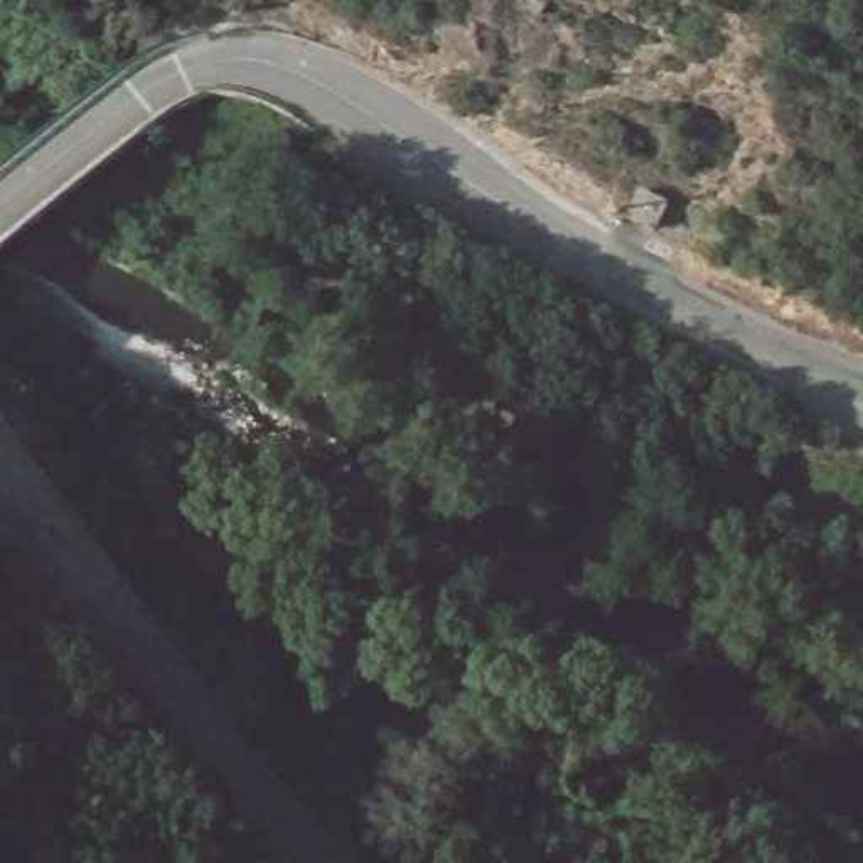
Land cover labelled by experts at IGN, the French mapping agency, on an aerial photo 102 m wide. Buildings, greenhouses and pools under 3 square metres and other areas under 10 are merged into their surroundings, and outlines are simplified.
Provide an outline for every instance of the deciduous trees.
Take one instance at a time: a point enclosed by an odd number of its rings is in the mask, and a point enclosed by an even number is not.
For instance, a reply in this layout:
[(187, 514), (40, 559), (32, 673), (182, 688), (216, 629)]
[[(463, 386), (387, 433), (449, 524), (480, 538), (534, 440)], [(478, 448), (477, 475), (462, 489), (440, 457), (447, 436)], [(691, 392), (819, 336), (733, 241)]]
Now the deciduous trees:
[(812, 492), (802, 445), (823, 445), (823, 432), (829, 428), (819, 418), (806, 415), (799, 421), (785, 411), (779, 418), (775, 394), (769, 388), (758, 388), (748, 374), (711, 374), (708, 367), (694, 367), (694, 357), (684, 344), (664, 344), (654, 334), (654, 327), (641, 324), (630, 310), (610, 310), (593, 297), (566, 297), (543, 266), (529, 266), (509, 249), (479, 246), (462, 229), (455, 229), (438, 209), (388, 192), (378, 179), (334, 182), (327, 175), (310, 175), (290, 155), (290, 138), (273, 142), (260, 158), (253, 158), (256, 152), (243, 142), (243, 128), (216, 115), (209, 131), (202, 135), (202, 145), (175, 158), (175, 172), (162, 196), (131, 202), (125, 212), (115, 212), (118, 239), (101, 256), (108, 266), (118, 266), (145, 280), (169, 300), (202, 317), (212, 327), (212, 334), (233, 344), (233, 351), (233, 361), (239, 367), (263, 378), (270, 364), (293, 378), (300, 391), (293, 415), (300, 421), (300, 432), (266, 418), (246, 432), (229, 432), (216, 415), (209, 394), (196, 394), (185, 384), (179, 384), (155, 357), (135, 354), (128, 347), (105, 347), (94, 337), (94, 330), (78, 317), (61, 310), (61, 320), (54, 320), (27, 303), (3, 300), (3, 293), (10, 290), (13, 260), (47, 266), (54, 260), (57, 243), (67, 236), (71, 229), (64, 226), (64, 219), (74, 209), (61, 199), (54, 199), (40, 216), (34, 216), (0, 246), (0, 411), (7, 425), (17, 432), (20, 445), (34, 455), (51, 485), (61, 492), (64, 506), (108, 553), (128, 590), (155, 610), (155, 620), (175, 647), (175, 654), (196, 671), (206, 691), (239, 721), (253, 748), (253, 758), (297, 799), (300, 812), (314, 826), (320, 826), (334, 843), (351, 843), (351, 829), (364, 829), (371, 823), (384, 833), (381, 853), (401, 863), (863, 863), (863, 502), (853, 506), (829, 492)]
[(698, 175), (732, 162), (732, 152), (738, 148), (738, 128), (715, 108), (705, 108), (698, 101), (664, 101), (661, 121), (674, 135), (681, 135), (681, 172)]
[(202, 34), (202, 27), (219, 24), (226, 17), (226, 0), (0, 0), (0, 155), (13, 152), (20, 142), (30, 142), (44, 125), (54, 121), (57, 111), (94, 91), (101, 81), (115, 81), (121, 74), (128, 81), (145, 64), (172, 54), (179, 44), (179, 27), (196, 27)]
[(775, 128), (785, 135), (789, 152), (799, 162), (806, 182), (816, 185), (812, 196), (796, 206), (782, 206), (775, 226), (755, 226), (745, 212), (735, 209), (728, 206), (718, 209), (721, 243), (715, 243), (705, 256), (711, 266), (725, 266), (742, 276), (758, 276), (765, 287), (782, 287), (789, 297), (806, 297), (833, 320), (856, 324), (863, 330), (863, 0), (728, 0), (732, 13), (742, 13), (748, 30), (762, 37), (762, 51), (745, 61), (742, 74), (762, 78), (765, 94), (772, 98)]
[(135, 667), (121, 657), (118, 637), (108, 637), (91, 624), (91, 607), (78, 593), (78, 587), (64, 580), (57, 583), (40, 566), (27, 563), (30, 549), (24, 543), (10, 543), (7, 523), (0, 519), (0, 863), (310, 863), (293, 850), (287, 836), (273, 846), (263, 843), (270, 812), (233, 792), (233, 782), (219, 772), (219, 752), (189, 735), (165, 738), (172, 732), (172, 718), (158, 698), (148, 694)]

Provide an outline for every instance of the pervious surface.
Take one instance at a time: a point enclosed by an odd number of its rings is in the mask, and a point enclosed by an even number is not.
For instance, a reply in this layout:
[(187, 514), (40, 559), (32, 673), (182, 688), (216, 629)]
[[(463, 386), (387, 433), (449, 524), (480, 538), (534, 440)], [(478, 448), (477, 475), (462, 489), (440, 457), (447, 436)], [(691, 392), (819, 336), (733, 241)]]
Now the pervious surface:
[(758, 276), (742, 276), (725, 266), (711, 266), (705, 256), (684, 246), (671, 246), (661, 233), (644, 243), (647, 253), (678, 263), (681, 280), (688, 287), (698, 287), (705, 280), (732, 283), (762, 300), (765, 307), (779, 310), (782, 317), (806, 320), (819, 330), (829, 330), (833, 320), (806, 297), (789, 297), (782, 287), (765, 287)]

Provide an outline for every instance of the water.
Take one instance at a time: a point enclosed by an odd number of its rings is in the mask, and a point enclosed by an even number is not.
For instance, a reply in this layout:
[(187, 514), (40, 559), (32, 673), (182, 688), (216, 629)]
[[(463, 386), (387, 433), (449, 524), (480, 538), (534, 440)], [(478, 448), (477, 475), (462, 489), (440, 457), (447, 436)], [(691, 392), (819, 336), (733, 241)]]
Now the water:
[(263, 378), (266, 401), (293, 415), (300, 391), (293, 378), (270, 364)]
[(118, 266), (108, 266), (101, 256), (74, 246), (67, 236), (57, 243), (54, 260), (47, 266), (13, 260), (10, 290), (3, 293), (3, 300), (27, 303), (54, 320), (61, 320), (61, 310), (78, 317), (81, 307), (88, 307), (101, 320), (128, 334), (169, 344), (189, 361), (189, 367), (226, 361), (226, 354), (233, 351), (233, 344), (212, 334), (212, 327), (202, 317), (169, 300), (145, 280)]

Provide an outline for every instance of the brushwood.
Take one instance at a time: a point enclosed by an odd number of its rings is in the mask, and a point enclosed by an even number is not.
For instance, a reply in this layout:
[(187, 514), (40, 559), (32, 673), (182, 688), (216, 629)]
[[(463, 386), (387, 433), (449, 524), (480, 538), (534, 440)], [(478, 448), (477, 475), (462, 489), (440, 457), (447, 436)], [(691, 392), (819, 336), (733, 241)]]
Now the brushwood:
[(796, 206), (812, 196), (816, 185), (806, 182), (799, 162), (789, 152), (769, 152), (765, 175), (752, 192), (742, 196), (735, 209), (745, 212), (755, 226), (775, 226), (782, 206)]
[(688, 64), (711, 61), (728, 47), (725, 17), (732, 13), (728, 0), (630, 0), (634, 24), (620, 24), (610, 13), (590, 13), (563, 0), (314, 0), (317, 7), (340, 17), (351, 30), (367, 30), (378, 40), (384, 40), (394, 61), (438, 54), (438, 24), (472, 27), (479, 51), (492, 54), (492, 67), (485, 81), (472, 81), (472, 74), (448, 74), (438, 94), (438, 101), (445, 101), (462, 118), (492, 115), (506, 98), (512, 78), (512, 54), (502, 34), (509, 24), (519, 20), (519, 10), (563, 24), (563, 44), (570, 44), (580, 34), (587, 47), (583, 61), (556, 57), (553, 71), (536, 74), (536, 98), (543, 101), (543, 108), (526, 111), (516, 131), (536, 138), (536, 148), (556, 155), (560, 162), (570, 162), (573, 169), (587, 172), (603, 189), (610, 189), (620, 226), (624, 233), (637, 233), (634, 189), (651, 189), (664, 199), (664, 212), (657, 219), (661, 233), (671, 246), (684, 246), (705, 256), (715, 243), (721, 243), (718, 209), (728, 206), (718, 192), (698, 185), (698, 175), (681, 172), (681, 135), (674, 135), (661, 121), (664, 101), (617, 98), (600, 105), (580, 105), (566, 98), (566, 91), (614, 84), (620, 64), (641, 44), (657, 44), (657, 34), (644, 30), (644, 17), (657, 17), (674, 37), (674, 51), (661, 57), (664, 67), (684, 71)]

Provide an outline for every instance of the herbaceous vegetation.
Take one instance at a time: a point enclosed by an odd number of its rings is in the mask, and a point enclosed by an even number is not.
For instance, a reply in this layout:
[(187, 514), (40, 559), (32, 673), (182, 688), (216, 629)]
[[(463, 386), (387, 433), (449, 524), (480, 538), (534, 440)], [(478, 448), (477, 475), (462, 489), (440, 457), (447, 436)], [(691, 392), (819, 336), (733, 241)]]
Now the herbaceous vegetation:
[(620, 226), (610, 189), (603, 189), (587, 172), (573, 169), (570, 162), (560, 162), (556, 155), (536, 148), (536, 138), (516, 131), (526, 111), (543, 108), (543, 101), (536, 98), (536, 74), (553, 71), (556, 57), (583, 61), (587, 47), (580, 34), (570, 44), (563, 44), (563, 24), (519, 10), (519, 20), (509, 24), (502, 34), (512, 54), (512, 78), (506, 98), (492, 115), (462, 118), (452, 128), (455, 138), (485, 152), (512, 179), (533, 189), (546, 206), (580, 222), (587, 229), (580, 239), (600, 243)]
[(829, 492), (853, 506), (863, 502), (863, 455), (836, 442), (823, 445), (802, 445), (812, 492)]
[(630, 0), (563, 0), (590, 13), (610, 13), (620, 24), (634, 24)]
[(128, 145), (121, 145), (61, 199), (74, 209), (64, 219), (64, 226), (71, 229), (67, 236), (74, 246), (101, 256), (118, 239), (115, 212), (125, 212), (131, 202), (162, 196), (175, 172), (175, 158), (202, 145), (202, 135), (209, 131), (216, 115), (243, 128), (243, 142), (256, 152), (253, 158), (260, 158), (273, 142), (290, 138), (290, 128), (303, 128), (303, 118), (283, 118), (276, 111), (280, 105), (270, 105), (263, 98), (233, 101), (219, 94), (196, 94), (165, 111), (162, 118), (155, 118), (145, 131), (138, 131)]
[(762, 51), (762, 37), (748, 30), (742, 13), (732, 13), (725, 17), (728, 47), (711, 61), (688, 64), (684, 71), (664, 67), (661, 57), (674, 51), (674, 37), (657, 17), (644, 17), (644, 30), (657, 34), (657, 44), (641, 44), (620, 64), (614, 84), (566, 91), (566, 98), (580, 105), (600, 105), (617, 98), (664, 101), (698, 101), (705, 108), (715, 108), (738, 128), (738, 148), (732, 152), (732, 162), (698, 175), (698, 185), (718, 192), (728, 206), (735, 209), (742, 196), (752, 192), (765, 175), (769, 152), (789, 152), (785, 135), (775, 128), (772, 98), (765, 94), (762, 78), (742, 74), (745, 61)]
[(448, 74), (472, 74), (472, 81), (485, 81), (492, 67), (492, 54), (479, 51), (472, 27), (438, 24), (438, 54), (394, 61), (384, 40), (378, 40), (367, 30), (351, 30), (340, 17), (317, 7), (314, 0), (226, 0), (226, 17), (219, 24), (202, 27), (202, 34), (196, 27), (179, 27), (179, 44), (189, 44), (196, 37), (233, 40), (253, 34), (293, 34), (330, 51), (340, 51), (357, 64), (371, 64), (374, 71), (388, 74), (398, 84), (408, 84), (411, 91), (438, 94)]

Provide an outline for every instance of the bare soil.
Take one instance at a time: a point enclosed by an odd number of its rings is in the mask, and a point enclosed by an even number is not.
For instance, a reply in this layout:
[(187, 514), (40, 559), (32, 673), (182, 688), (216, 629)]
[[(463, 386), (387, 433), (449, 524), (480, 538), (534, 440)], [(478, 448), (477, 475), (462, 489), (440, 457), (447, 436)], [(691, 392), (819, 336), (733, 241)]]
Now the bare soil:
[(179, 384), (185, 384), (196, 394), (209, 394), (216, 415), (229, 432), (246, 432), (266, 418), (300, 432), (300, 421), (293, 415), (266, 401), (263, 378), (239, 367), (233, 361), (233, 351), (226, 354), (226, 361), (189, 367), (189, 361), (169, 344), (128, 334), (101, 320), (88, 307), (81, 307), (78, 317), (94, 330), (94, 337), (105, 347), (128, 347), (135, 354), (155, 357)]

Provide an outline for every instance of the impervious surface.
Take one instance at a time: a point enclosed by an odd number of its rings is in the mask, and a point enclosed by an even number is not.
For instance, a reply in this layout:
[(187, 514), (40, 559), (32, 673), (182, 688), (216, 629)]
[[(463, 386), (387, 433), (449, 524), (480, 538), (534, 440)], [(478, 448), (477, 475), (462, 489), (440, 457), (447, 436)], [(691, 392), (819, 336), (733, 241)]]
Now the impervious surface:
[(57, 111), (54, 121), (44, 125), (30, 142), (20, 142), (13, 152), (0, 155), (0, 246), (34, 216), (40, 216), (54, 199), (61, 199), (121, 145), (128, 145), (138, 131), (145, 131), (155, 118), (162, 118), (165, 111), (196, 94), (219, 94), (233, 101), (263, 98), (270, 105), (280, 105), (276, 111), (283, 118), (303, 118), (303, 128), (290, 128), (290, 138), (290, 155), (310, 175), (327, 175), (334, 182), (378, 179), (388, 192), (438, 209), (455, 229), (462, 229), (479, 246), (509, 249), (529, 266), (543, 266), (566, 297), (593, 297), (610, 310), (630, 310), (641, 324), (654, 327), (654, 334), (664, 344), (684, 344), (694, 357), (694, 367), (708, 367), (711, 374), (748, 374), (758, 388), (769, 388), (775, 394), (779, 418), (785, 411), (799, 421), (806, 415), (819, 418), (829, 428), (823, 432), (823, 445), (836, 442), (863, 455), (863, 330), (856, 324), (833, 320), (829, 330), (819, 330), (806, 320), (782, 317), (779, 310), (765, 307), (762, 300), (732, 283), (705, 280), (698, 287), (688, 287), (681, 280), (678, 263), (647, 253), (644, 243), (637, 233), (624, 233), (620, 226), (600, 243), (580, 239), (587, 229), (580, 222), (546, 206), (533, 189), (512, 179), (485, 152), (455, 138), (452, 128), (462, 118), (445, 101), (438, 101), (438, 94), (411, 91), (408, 84), (398, 84), (388, 74), (374, 71), (371, 64), (357, 64), (340, 51), (330, 51), (293, 34), (253, 34), (233, 40), (196, 37), (189, 44), (179, 44), (172, 54), (145, 64), (128, 81), (121, 74), (115, 81), (101, 81), (94, 91)]
[(189, 735), (219, 752), (219, 772), (233, 782), (233, 792), (270, 812), (263, 843), (273, 846), (287, 836), (293, 850), (310, 863), (401, 863), (381, 853), (384, 833), (371, 823), (364, 829), (351, 829), (351, 843), (334, 843), (320, 826), (314, 826), (300, 812), (297, 799), (253, 758), (253, 748), (239, 721), (206, 691), (196, 671), (175, 654), (175, 647), (155, 620), (155, 610), (128, 590), (108, 553), (64, 506), (61, 492), (51, 485), (34, 455), (20, 445), (17, 432), (7, 425), (0, 411), (0, 519), (7, 523), (10, 543), (24, 543), (30, 549), (27, 563), (40, 566), (57, 583), (64, 580), (78, 587), (78, 593), (91, 607), (91, 624), (108, 637), (118, 637), (121, 657), (135, 667), (148, 694), (158, 698), (172, 718), (172, 732), (165, 738)]

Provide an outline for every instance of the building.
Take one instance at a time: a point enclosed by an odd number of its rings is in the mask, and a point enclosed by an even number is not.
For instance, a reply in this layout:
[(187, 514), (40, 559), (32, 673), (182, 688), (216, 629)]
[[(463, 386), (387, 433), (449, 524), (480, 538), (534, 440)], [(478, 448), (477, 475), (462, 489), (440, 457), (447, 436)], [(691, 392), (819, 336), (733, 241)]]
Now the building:
[(637, 233), (644, 243), (661, 233), (657, 219), (664, 212), (664, 199), (651, 189), (634, 189)]

